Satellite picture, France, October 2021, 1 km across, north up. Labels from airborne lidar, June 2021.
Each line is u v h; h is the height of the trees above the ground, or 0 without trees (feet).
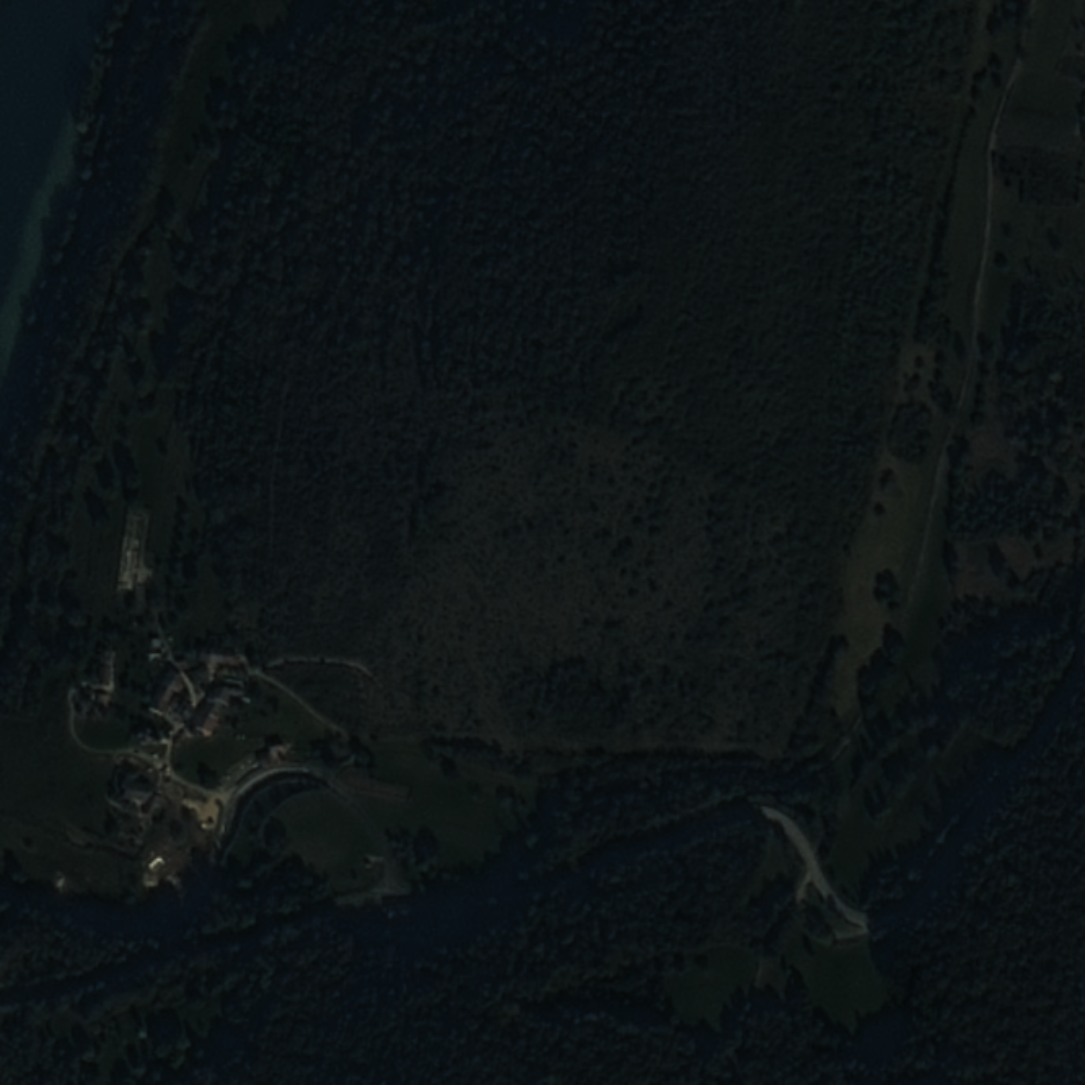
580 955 81
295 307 33
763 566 24
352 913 27
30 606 34
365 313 22
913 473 0
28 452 66
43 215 0
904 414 29
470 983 67
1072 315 22
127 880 48
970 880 79
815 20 25
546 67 54
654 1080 55
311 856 0
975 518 22
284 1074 48
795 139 29
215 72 0
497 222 37
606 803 30
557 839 68
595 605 17
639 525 31
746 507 25
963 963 59
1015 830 58
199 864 0
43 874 0
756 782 63
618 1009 18
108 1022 37
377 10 80
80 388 32
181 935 70
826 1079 32
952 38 34
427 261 27
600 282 30
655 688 35
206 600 0
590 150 31
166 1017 0
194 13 56
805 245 21
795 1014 51
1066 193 0
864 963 0
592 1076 68
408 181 26
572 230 26
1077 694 51
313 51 60
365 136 39
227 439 22
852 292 39
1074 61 0
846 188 33
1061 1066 22
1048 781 53
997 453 0
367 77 21
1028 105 0
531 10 37
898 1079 63
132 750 0
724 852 46
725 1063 52
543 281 19
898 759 0
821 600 45
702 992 0
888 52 48
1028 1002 65
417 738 0
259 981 59
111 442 0
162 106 79
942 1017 83
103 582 0
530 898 73
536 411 22
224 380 44
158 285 0
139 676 0
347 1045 38
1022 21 44
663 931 73
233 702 36
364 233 36
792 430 25
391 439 20
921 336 29
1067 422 26
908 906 0
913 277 47
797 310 26
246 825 0
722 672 22
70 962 44
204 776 47
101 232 78
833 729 44
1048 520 52
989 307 0
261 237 41
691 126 32
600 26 48
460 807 0
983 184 0
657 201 46
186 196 0
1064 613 35
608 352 29
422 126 38
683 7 29
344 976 60
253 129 31
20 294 0
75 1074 35
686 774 62
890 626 0
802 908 55
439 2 39
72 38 0
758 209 22
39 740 0
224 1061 42
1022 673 81
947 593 0
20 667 53
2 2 0
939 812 0
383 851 0
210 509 49
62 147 0
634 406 26
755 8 26
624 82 41
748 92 24
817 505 32
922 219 40
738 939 34
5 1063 38
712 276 22
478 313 22
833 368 47
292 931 92
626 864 58
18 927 62
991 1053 64
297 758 0
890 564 0
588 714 59
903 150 21
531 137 29
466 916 19
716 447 20
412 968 68
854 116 44
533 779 45
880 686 52
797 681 27
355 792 0
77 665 58
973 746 0
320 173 45
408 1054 43
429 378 33
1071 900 55
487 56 25
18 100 0
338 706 20
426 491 29
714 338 27
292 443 18
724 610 23
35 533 20
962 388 0
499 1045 39
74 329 67
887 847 0
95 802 0
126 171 42
